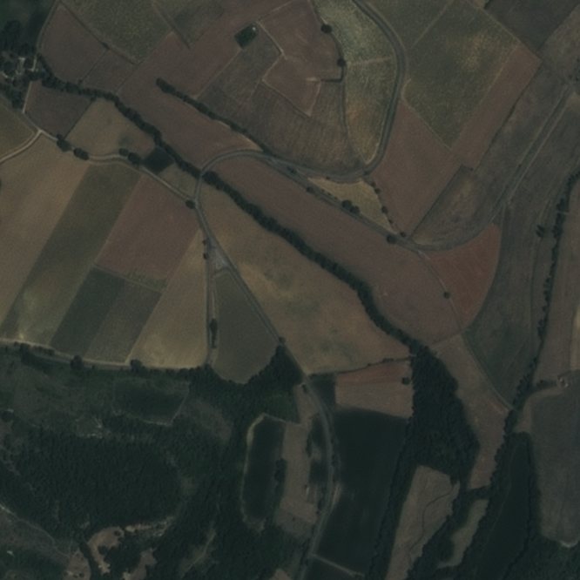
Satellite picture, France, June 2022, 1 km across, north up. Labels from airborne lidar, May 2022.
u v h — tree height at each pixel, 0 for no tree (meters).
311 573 0
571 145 0
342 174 0
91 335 0
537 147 0
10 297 0
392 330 19
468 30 0
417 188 0
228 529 10
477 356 0
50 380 0
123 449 14
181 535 13
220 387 10
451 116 0
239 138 0
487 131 0
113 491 9
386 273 0
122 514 11
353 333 0
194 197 0
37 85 0
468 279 0
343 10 0
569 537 0
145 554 0
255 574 10
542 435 0
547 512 0
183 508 6
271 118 0
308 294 0
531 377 12
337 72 0
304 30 0
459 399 13
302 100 0
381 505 0
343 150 0
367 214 0
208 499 16
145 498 10
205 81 0
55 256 0
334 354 0
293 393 7
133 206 0
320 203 0
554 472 0
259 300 0
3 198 0
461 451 15
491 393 0
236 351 0
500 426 0
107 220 0
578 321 0
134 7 0
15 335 0
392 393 0
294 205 0
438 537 19
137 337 0
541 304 0
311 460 0
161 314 0
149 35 0
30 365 12
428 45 0
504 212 0
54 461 14
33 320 0
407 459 18
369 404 0
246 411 11
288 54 0
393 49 0
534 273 0
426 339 0
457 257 0
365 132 0
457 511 15
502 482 18
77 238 0
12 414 6
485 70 0
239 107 0
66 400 0
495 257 0
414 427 17
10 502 9
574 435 0
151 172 0
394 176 0
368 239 0
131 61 0
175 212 0
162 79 8
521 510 0
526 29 0
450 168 0
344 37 0
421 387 20
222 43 0
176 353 0
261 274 0
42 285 0
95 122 0
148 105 0
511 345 0
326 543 0
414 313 0
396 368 0
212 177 19
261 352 0
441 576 11
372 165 0
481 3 0
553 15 0
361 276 0
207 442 8
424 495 0
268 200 0
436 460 14
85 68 0
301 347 0
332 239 0
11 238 0
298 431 0
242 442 12
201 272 0
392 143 0
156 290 0
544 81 0
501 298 0
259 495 0
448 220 0
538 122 0
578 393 0
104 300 0
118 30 0
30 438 6
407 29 0
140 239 0
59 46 0
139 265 0
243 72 0
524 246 0
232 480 9
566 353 0
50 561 7
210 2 0
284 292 0
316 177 0
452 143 0
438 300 0
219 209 0
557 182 0
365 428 0
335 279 0
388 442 0
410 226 0
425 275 0
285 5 0
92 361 0
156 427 8
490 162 0
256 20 0
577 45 0
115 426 11
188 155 0
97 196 0
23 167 0
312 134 0
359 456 0
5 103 0
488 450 0
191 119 0
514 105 0
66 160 0
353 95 0
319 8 0
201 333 0
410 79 0
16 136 0
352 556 0
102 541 0
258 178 0
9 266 0
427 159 0
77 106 0
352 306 0
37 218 0
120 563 12
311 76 0
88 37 0
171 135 0
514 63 0
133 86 0
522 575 14
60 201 0
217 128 0
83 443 12
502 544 0
